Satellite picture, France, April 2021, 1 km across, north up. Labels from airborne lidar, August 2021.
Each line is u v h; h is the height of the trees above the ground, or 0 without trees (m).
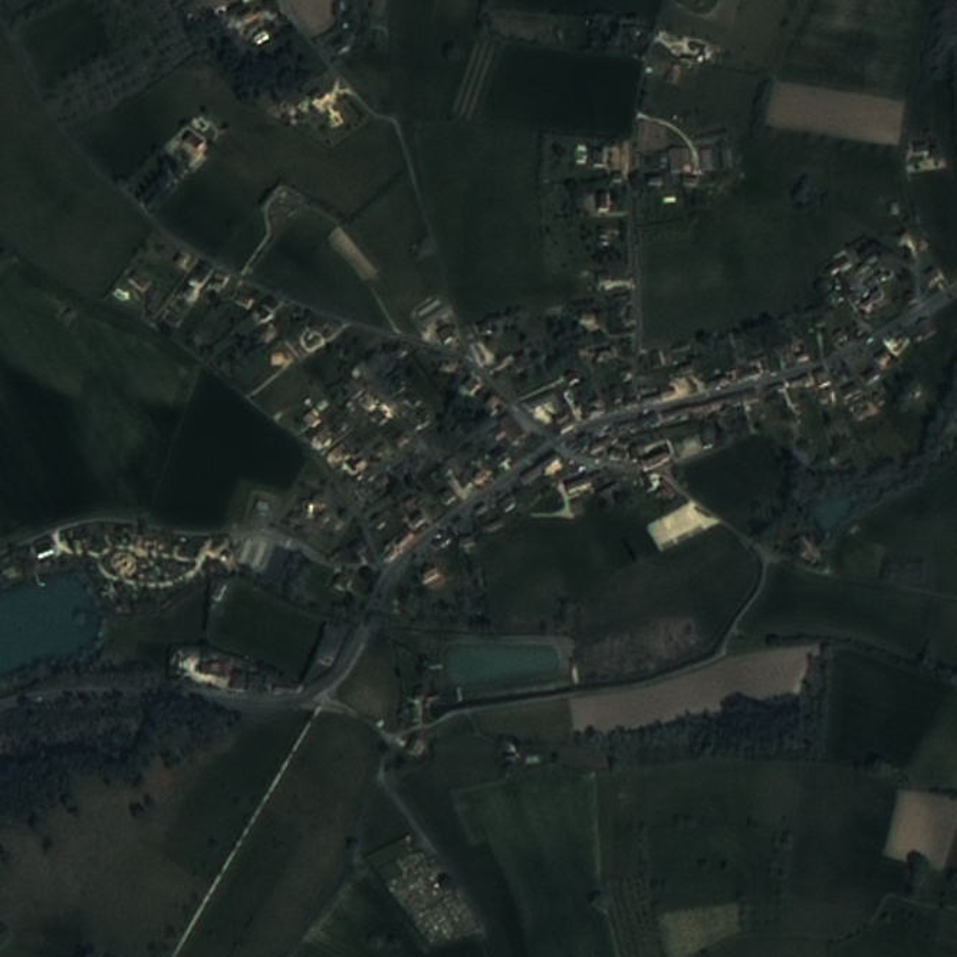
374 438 0
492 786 0
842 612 0
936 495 0
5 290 0
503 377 10
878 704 0
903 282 11
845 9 0
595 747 6
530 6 0
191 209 0
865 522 0
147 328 0
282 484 0
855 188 0
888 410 0
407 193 0
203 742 21
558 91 0
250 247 0
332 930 0
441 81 0
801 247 0
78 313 0
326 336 11
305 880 0
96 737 9
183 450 0
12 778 18
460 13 0
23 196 0
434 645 0
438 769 0
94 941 0
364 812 0
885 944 0
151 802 12
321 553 0
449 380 6
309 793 0
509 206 0
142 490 0
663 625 0
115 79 7
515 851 0
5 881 0
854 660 0
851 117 0
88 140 0
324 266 0
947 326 0
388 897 0
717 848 0
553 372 18
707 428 12
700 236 0
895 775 17
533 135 0
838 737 0
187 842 0
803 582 0
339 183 0
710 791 0
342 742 0
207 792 0
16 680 9
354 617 12
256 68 13
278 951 0
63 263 0
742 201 0
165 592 8
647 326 0
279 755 0
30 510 0
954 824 0
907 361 0
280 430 0
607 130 0
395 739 0
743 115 0
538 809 0
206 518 0
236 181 0
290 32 9
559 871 0
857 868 0
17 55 0
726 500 0
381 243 0
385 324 0
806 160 0
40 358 0
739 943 0
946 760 0
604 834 0
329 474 0
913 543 0
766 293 0
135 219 0
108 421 0
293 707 0
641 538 0
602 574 0
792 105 0
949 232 0
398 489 23
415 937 0
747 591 0
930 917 0
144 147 0
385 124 0
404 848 0
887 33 0
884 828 0
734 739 16
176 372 0
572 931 0
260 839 0
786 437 9
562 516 0
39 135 0
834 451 6
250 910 0
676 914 0
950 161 0
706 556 0
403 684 0
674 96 0
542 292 0
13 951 0
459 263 0
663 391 0
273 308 8
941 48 6
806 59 0
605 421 0
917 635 0
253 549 0
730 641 0
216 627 0
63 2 10
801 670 0
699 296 0
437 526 0
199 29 18
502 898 0
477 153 0
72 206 0
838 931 0
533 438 10
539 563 0
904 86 0
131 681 20
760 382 0
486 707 0
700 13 0
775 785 0
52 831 0
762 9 0
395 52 0
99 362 0
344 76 0
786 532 0
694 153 0
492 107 0
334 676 0
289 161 0
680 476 17
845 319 0
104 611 8
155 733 22
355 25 8
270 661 0
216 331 0
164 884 0
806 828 0
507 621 0
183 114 0
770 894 0
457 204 0
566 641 0
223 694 0
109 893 0
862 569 0
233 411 0
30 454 0
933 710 0
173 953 9
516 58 0
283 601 6
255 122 0
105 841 0
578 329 12
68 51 0
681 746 0
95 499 0
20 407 0
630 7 0
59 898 0
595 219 0
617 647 0
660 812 0
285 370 0
